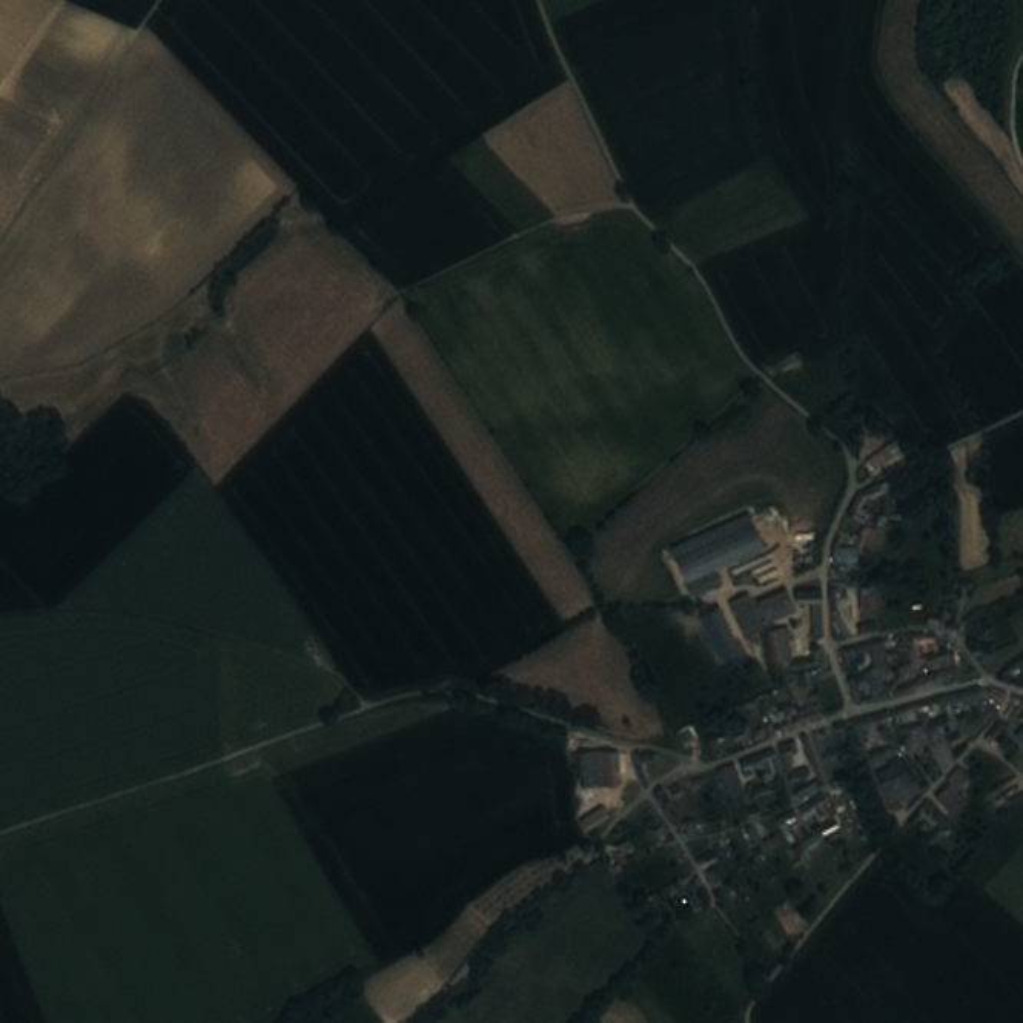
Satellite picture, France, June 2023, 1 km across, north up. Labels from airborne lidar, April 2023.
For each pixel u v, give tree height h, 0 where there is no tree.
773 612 0
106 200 0
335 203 0
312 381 0
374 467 0
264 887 0
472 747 0
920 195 0
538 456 0
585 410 0
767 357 0
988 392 0
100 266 0
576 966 0
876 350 0
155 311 0
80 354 0
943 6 14
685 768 0
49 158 0
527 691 12
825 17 0
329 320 0
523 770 0
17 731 0
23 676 0
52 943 0
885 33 0
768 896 0
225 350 0
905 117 0
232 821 0
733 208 0
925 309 0
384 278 0
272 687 0
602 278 0
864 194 0
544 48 0
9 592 0
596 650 0
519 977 0
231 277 16
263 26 0
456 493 0
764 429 0
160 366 0
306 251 0
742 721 9
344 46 0
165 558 0
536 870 0
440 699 9
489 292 0
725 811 0
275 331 0
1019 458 0
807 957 0
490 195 0
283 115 0
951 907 0
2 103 0
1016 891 0
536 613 0
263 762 0
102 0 0
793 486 0
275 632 0
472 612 0
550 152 0
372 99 0
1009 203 0
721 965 0
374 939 0
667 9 0
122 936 0
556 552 0
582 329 0
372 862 0
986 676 0
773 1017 0
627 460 0
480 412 0
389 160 0
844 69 0
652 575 0
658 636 0
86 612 0
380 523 0
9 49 0
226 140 0
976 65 10
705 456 0
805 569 6
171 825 0
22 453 29
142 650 0
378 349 0
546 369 0
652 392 0
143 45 0
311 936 0
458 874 0
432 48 0
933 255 0
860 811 7
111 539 0
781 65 0
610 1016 0
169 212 0
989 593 0
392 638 0
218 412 0
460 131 0
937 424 0
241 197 0
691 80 0
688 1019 0
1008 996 0
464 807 0
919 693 0
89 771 0
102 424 0
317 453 0
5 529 0
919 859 0
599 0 0
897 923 0
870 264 0
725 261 0
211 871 0
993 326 0
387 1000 0
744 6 0
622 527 0
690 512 0
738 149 0
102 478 0
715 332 0
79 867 0
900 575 9
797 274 0
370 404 0
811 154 0
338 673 0
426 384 0
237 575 0
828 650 0
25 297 0
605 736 0
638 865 0
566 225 0
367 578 0
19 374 0
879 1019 0
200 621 0
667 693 0
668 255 0
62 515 0
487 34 0
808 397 0
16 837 0
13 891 0
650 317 0
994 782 0
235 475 0
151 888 0
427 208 0
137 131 0
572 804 0
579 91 0
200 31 0
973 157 0
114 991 0
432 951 0
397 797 0
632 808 0
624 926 0
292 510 0
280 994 0
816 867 0
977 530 0
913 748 0
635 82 0
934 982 0
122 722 0
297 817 0
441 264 0
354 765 0
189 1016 0
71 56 0
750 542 0
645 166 0
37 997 0
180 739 0
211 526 0
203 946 0
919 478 18
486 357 0
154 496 0
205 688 0
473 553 0
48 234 0
